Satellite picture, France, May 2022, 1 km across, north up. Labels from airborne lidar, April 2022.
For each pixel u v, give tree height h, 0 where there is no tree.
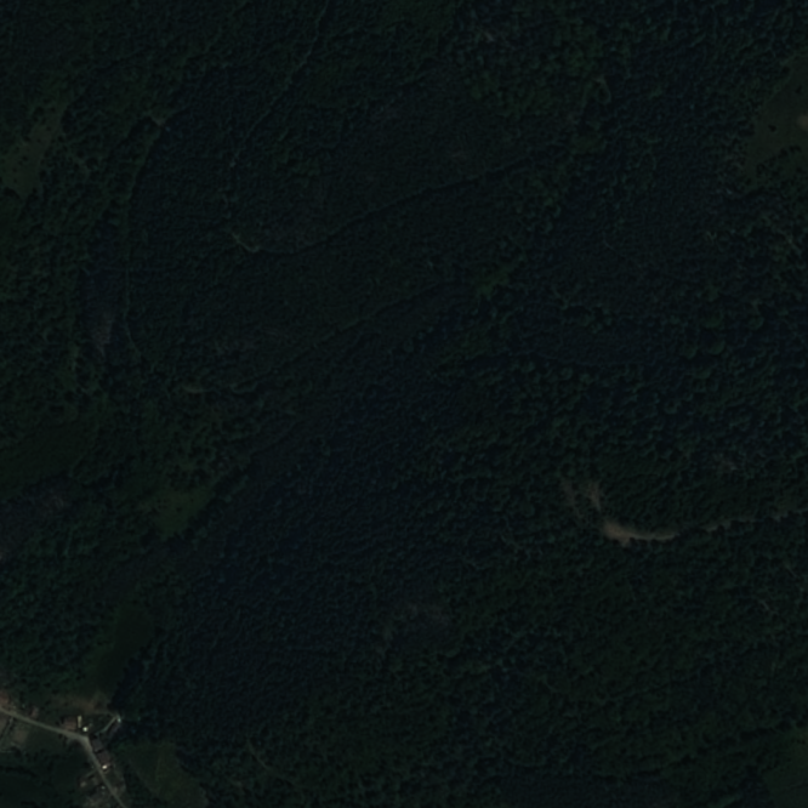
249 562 26
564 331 23
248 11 17
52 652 16
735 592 24
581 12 33
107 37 24
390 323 31
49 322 14
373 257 28
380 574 27
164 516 0
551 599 11
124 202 9
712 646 30
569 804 29
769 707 10
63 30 20
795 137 0
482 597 19
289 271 20
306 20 18
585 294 27
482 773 35
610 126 32
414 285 25
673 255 29
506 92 30
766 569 20
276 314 25
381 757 11
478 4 33
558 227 31
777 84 13
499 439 21
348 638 24
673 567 19
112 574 28
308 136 17
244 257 17
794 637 14
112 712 16
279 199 24
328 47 11
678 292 23
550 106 32
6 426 18
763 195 19
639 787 34
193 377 11
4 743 0
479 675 31
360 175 24
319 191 23
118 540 13
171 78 24
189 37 20
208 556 31
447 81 18
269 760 22
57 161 8
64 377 7
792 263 21
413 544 29
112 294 32
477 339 14
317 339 21
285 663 18
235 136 15
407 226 28
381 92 14
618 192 21
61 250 16
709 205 24
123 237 14
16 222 10
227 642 26
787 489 7
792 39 14
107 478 14
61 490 29
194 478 13
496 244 27
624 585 20
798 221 6
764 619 14
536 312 27
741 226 29
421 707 10
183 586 17
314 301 28
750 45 24
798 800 0
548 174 28
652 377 38
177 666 16
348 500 28
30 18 19
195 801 0
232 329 27
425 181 24
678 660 21
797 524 10
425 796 18
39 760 6
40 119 26
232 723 21
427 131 22
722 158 19
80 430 7
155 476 19
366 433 32
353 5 16
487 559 20
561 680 12
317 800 10
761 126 0
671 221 29
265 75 16
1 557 29
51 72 23
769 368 34
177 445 9
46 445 7
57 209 13
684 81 28
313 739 8
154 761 0
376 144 24
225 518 31
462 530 24
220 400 31
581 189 33
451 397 21
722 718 25
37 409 17
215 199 18
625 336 22
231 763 25
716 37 28
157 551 26
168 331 18
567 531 24
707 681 23
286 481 35
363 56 17
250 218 20
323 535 30
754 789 27
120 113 11
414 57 6
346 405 29
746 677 22
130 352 27
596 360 28
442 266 30
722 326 15
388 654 16
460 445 21
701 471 15
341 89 13
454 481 16
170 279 15
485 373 31
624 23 30
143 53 18
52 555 9
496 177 28
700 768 10
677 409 23
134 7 22
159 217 22
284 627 28
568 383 18
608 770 19
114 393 31
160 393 28
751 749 8
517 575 13
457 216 28
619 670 14
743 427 31
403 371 27
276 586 29
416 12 7
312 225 20
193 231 19
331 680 22
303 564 33
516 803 26
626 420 31
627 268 28
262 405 38
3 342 18
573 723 10
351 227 27
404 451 28
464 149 26
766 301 31
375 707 10
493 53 29
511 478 24
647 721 14
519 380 22
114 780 0
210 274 18
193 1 27
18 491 6
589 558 14
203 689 20
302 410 32
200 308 22
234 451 29
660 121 25
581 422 20
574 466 31
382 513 26
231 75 18
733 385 34
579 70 38
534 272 25
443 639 26
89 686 0
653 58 29
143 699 16
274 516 27
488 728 9
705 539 13
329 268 24
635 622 15
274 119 16
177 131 21
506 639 37
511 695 32
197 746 18
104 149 15
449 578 22
